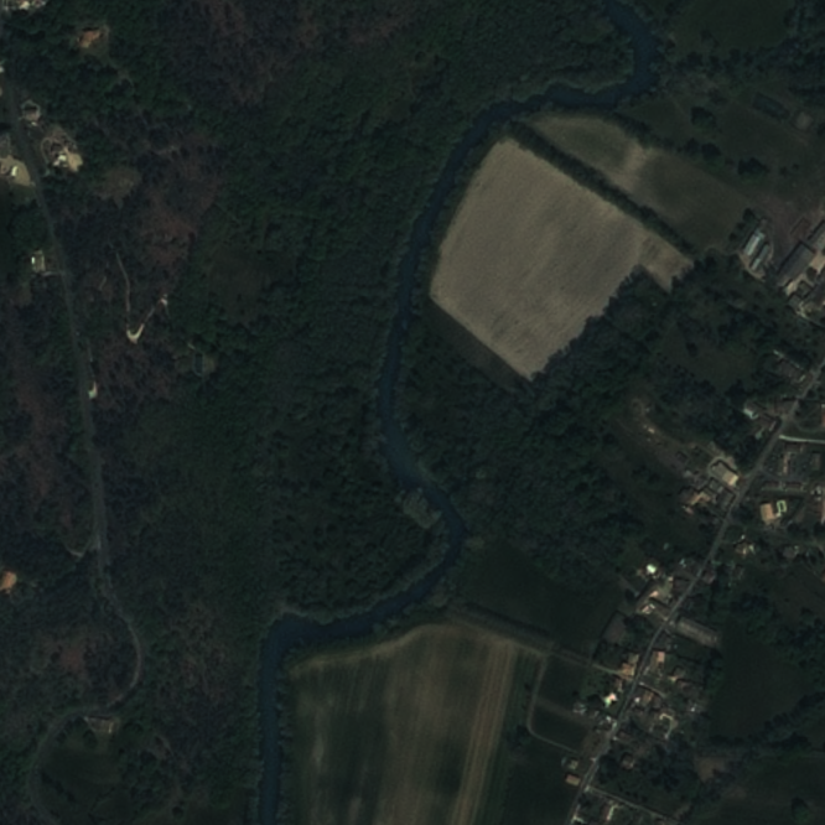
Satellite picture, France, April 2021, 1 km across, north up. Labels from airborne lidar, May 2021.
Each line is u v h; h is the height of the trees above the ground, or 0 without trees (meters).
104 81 23
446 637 0
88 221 15
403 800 0
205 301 11
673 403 16
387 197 12
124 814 0
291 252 10
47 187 9
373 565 8
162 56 24
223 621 14
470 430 11
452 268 0
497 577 0
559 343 0
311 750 0
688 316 19
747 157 0
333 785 0
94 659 11
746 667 0
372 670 0
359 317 20
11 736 15
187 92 29
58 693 16
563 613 0
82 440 15
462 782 0
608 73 17
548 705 0
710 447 0
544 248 0
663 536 0
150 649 14
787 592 0
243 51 28
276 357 20
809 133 0
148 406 12
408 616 16
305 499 18
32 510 22
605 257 0
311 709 0
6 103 0
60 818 10
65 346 15
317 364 16
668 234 16
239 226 8
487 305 0
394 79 13
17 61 13
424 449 16
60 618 12
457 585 23
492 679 0
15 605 17
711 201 0
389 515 6
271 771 0
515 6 15
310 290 21
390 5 6
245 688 12
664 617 0
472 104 19
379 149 21
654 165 0
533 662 0
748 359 0
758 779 0
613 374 22
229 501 21
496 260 0
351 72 15
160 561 20
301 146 17
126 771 5
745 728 0
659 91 13
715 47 12
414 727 0
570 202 0
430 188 7
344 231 16
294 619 0
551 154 15
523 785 0
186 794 14
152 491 16
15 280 10
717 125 15
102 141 19
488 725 0
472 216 0
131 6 21
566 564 18
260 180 22
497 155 0
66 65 21
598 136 0
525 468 12
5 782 27
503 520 15
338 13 12
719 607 16
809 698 0
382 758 0
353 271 17
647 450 0
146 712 15
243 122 20
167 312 10
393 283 15
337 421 14
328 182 20
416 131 13
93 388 0
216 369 0
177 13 11
